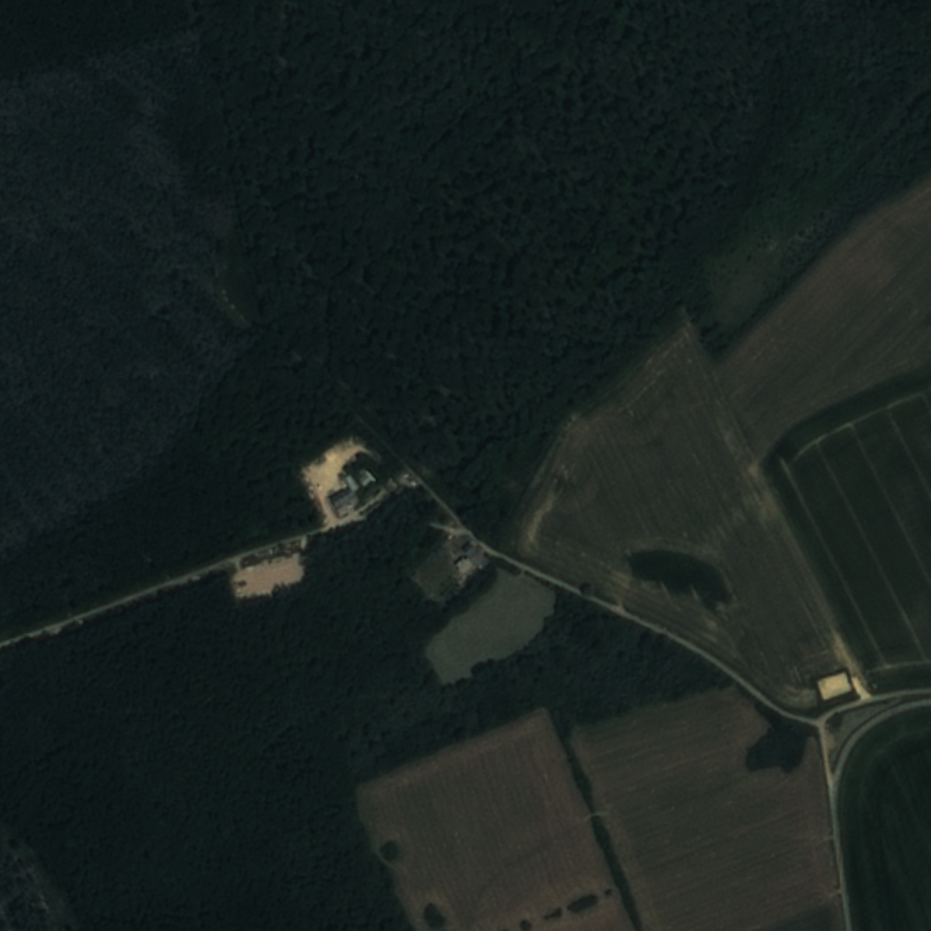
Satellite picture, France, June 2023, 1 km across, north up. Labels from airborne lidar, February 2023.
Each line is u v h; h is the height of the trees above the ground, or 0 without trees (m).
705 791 0
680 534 0
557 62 26
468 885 0
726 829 0
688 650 5
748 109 23
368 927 23
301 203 22
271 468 25
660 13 22
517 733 0
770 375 0
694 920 0
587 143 26
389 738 15
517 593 0
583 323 24
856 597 0
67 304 19
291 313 22
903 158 7
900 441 0
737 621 0
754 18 24
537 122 26
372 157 24
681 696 8
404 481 0
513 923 0
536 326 24
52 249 21
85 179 19
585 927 0
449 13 21
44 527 18
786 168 11
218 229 21
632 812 0
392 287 26
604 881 0
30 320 23
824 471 0
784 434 0
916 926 0
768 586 0
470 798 0
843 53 19
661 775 0
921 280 0
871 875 0
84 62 20
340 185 22
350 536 24
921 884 0
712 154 25
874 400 0
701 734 0
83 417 24
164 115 22
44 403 25
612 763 0
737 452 0
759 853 0
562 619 10
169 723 20
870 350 0
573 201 22
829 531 0
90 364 19
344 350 25
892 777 0
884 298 0
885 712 0
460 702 6
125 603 0
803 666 0
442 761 0
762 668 0
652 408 0
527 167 25
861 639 0
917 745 0
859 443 0
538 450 0
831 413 0
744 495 0
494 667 16
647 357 0
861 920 0
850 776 0
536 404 22
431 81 22
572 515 0
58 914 0
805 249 6
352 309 27
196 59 24
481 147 24
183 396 22
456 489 24
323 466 0
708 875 0
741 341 0
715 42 30
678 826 0
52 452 23
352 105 21
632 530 0
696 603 0
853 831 0
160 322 20
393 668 20
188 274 19
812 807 0
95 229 20
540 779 0
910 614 0
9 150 20
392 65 22
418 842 0
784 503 0
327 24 28
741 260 0
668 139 26
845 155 10
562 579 0
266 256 23
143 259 21
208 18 22
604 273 22
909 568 0
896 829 0
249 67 27
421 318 25
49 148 17
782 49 19
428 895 0
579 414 0
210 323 16
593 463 0
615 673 6
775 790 0
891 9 23
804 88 15
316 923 20
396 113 20
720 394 0
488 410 22
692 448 0
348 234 25
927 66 16
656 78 24
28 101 17
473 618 0
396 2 24
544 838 0
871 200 13
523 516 0
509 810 0
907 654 0
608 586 0
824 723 0
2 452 17
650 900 0
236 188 18
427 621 21
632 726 0
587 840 0
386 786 0
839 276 0
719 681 5
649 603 0
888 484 0
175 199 23
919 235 0
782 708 0
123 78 24
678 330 0
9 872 18
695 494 0
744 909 0
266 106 27
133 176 18
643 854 0
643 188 25
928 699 0
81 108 19
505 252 23
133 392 21
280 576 0
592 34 21
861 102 18
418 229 27
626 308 21
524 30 23
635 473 0
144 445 21
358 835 16
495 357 22
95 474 19
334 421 24
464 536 0
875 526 0
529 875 0
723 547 0
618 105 25
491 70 20
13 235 21
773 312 0
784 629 0
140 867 23
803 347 0
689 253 19
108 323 19
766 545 0
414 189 25
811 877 0
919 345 0
